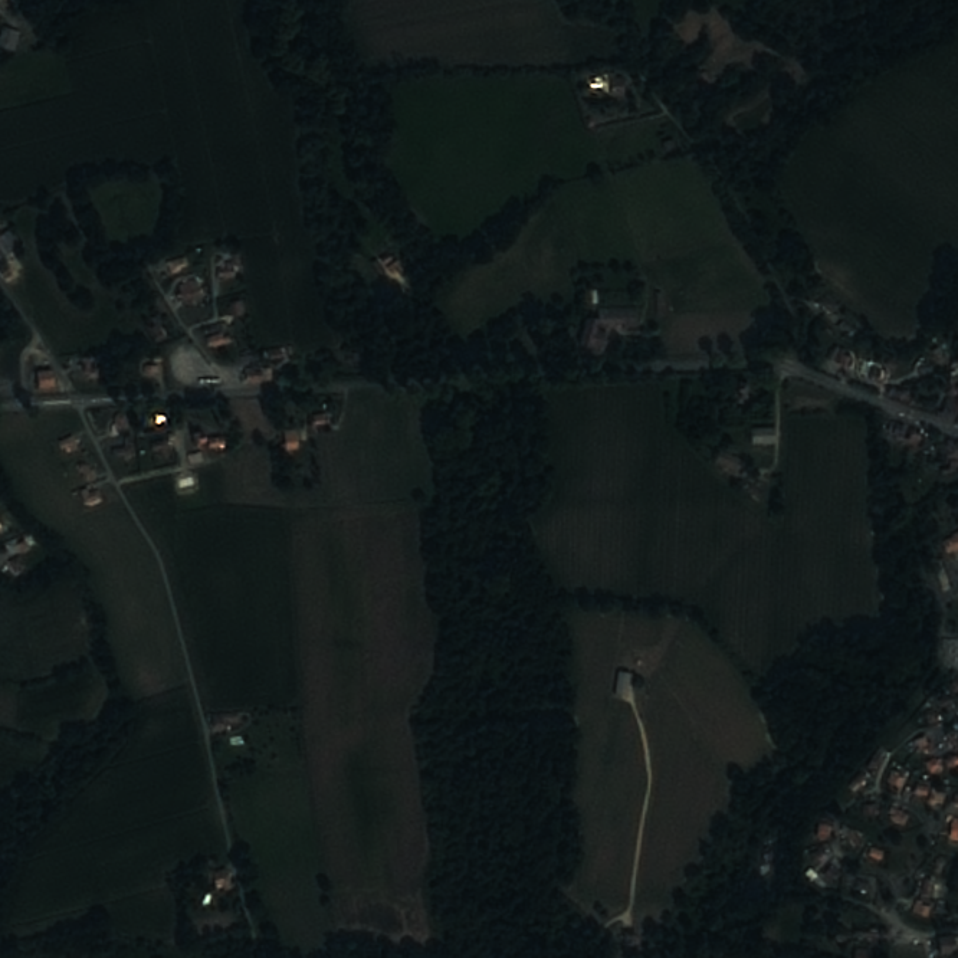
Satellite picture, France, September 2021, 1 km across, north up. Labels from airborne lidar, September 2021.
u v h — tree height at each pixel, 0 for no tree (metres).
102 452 0
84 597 8
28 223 0
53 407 0
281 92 13
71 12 14
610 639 0
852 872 17
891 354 10
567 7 20
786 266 19
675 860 0
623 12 15
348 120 21
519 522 17
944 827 0
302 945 0
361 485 0
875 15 18
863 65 23
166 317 6
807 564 0
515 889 6
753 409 9
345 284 22
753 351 17
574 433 0
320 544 0
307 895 0
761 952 11
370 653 0
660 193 0
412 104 0
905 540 20
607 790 0
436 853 9
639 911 0
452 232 0
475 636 19
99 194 0
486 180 0
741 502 0
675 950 27
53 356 0
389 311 26
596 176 11
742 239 16
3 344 18
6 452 0
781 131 11
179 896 10
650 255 0
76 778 16
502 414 11
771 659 0
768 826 24
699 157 16
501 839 20
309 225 15
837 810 17
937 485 6
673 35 16
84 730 16
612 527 0
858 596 0
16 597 9
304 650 0
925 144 0
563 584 0
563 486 0
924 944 0
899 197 0
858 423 0
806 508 0
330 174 7
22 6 13
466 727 16
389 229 20
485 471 27
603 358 6
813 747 26
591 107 8
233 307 0
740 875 11
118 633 0
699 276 0
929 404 8
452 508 19
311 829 0
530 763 14
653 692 0
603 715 0
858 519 0
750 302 0
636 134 0
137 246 15
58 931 17
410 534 0
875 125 0
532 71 6
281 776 0
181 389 0
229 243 11
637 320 0
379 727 0
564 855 17
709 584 0
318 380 29
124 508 0
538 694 9
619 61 11
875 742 8
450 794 11
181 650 0
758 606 0
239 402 0
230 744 0
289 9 29
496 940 21
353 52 26
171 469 0
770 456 0
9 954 16
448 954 13
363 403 0
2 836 19
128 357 19
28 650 0
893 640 26
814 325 7
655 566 0
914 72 0
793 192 0
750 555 0
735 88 11
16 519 15
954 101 0
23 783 23
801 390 0
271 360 6
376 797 0
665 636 0
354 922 0
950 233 0
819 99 24
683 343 0
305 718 0
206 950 11
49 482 0
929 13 20
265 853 0
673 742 0
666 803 0
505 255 0
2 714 0
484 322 0
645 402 0
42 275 0
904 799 0
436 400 19
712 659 0
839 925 17
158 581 0
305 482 9
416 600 0
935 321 22
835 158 0
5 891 16
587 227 0
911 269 0
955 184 0
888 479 20
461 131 0
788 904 11
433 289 17
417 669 0
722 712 0
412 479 0
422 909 0
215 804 0
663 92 18
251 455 0
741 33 18
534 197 10
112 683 14
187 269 0
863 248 0
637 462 0
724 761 0
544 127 0
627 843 0
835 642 25
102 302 0
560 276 0
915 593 11
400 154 0
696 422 6
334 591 0
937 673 6
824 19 11
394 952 18
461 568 21
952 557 0
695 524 0
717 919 25
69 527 0
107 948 20
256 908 17
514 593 17
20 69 0
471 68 7
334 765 0
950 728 7
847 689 21
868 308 0
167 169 17
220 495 0
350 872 0
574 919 9
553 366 27
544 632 18
